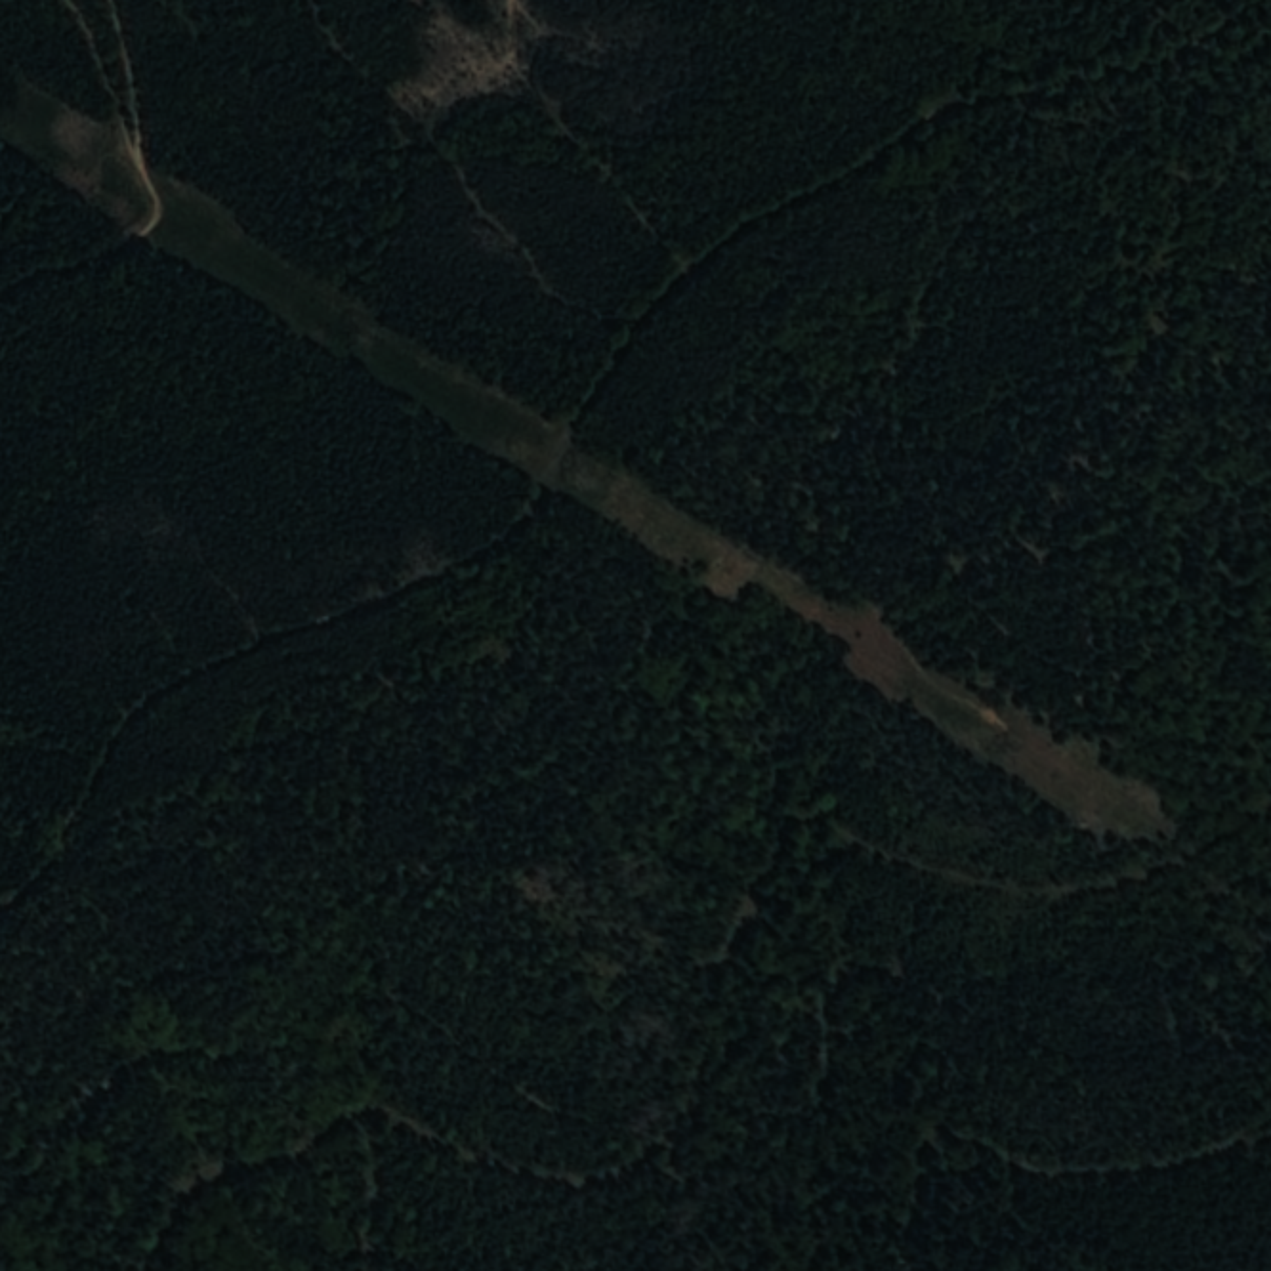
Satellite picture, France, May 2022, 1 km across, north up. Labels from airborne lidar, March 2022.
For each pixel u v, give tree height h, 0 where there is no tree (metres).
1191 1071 32
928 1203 21
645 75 11
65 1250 17
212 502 18
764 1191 13
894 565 30
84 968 29
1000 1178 19
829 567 17
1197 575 32
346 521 18
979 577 34
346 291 16
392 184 25
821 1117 20
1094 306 29
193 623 19
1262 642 30
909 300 10
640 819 33
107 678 15
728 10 14
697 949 17
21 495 11
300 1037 13
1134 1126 33
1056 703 18
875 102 18
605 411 14
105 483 14
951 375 16
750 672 27
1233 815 18
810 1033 15
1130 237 10
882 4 20
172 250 0
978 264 12
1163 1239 21
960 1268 30
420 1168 17
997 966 13
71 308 12
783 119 15
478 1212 6
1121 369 22
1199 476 28
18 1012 27
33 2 17
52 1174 22
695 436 21
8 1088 27
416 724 23
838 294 14
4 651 17
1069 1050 19
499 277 17
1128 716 15
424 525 19
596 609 31
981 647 13
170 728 17
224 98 18
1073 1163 21
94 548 17
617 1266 14
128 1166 20
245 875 17
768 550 21
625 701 32
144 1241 19
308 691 22
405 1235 18
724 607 21
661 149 15
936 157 19
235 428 16
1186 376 29
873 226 15
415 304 15
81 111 14
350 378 14
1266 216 11
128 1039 22
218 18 18
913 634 15
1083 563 25
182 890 23
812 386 23
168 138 16
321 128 17
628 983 19
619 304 16
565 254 17
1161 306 15
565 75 12
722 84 13
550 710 23
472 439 0
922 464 15
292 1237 20
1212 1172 21
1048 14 14
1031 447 24
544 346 16
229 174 20
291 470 16
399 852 29
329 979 17
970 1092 32
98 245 18
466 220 16
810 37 8
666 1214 12
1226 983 18
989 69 27
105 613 19
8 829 25
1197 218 6
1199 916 20
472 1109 14
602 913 22
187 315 17
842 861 23
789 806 16
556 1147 17
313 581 19
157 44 13
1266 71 19
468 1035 7
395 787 23
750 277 17
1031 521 6
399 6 15
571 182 18
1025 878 7
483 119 16
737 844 30
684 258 11
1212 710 27
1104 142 8
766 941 19
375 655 14
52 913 25
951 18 22
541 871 32
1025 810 15
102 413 15
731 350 17
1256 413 32
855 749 13
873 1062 23
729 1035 22
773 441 23
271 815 24
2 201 24
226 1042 18
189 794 13
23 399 15
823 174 17
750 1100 28
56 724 13
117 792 13
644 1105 34
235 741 13
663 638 27
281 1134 15
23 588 14
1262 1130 15
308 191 17
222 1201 19
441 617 6
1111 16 14
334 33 16
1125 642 29
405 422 19
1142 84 25
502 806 29
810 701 19
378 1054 8
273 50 11
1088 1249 35
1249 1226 24
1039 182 9
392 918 16
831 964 10
